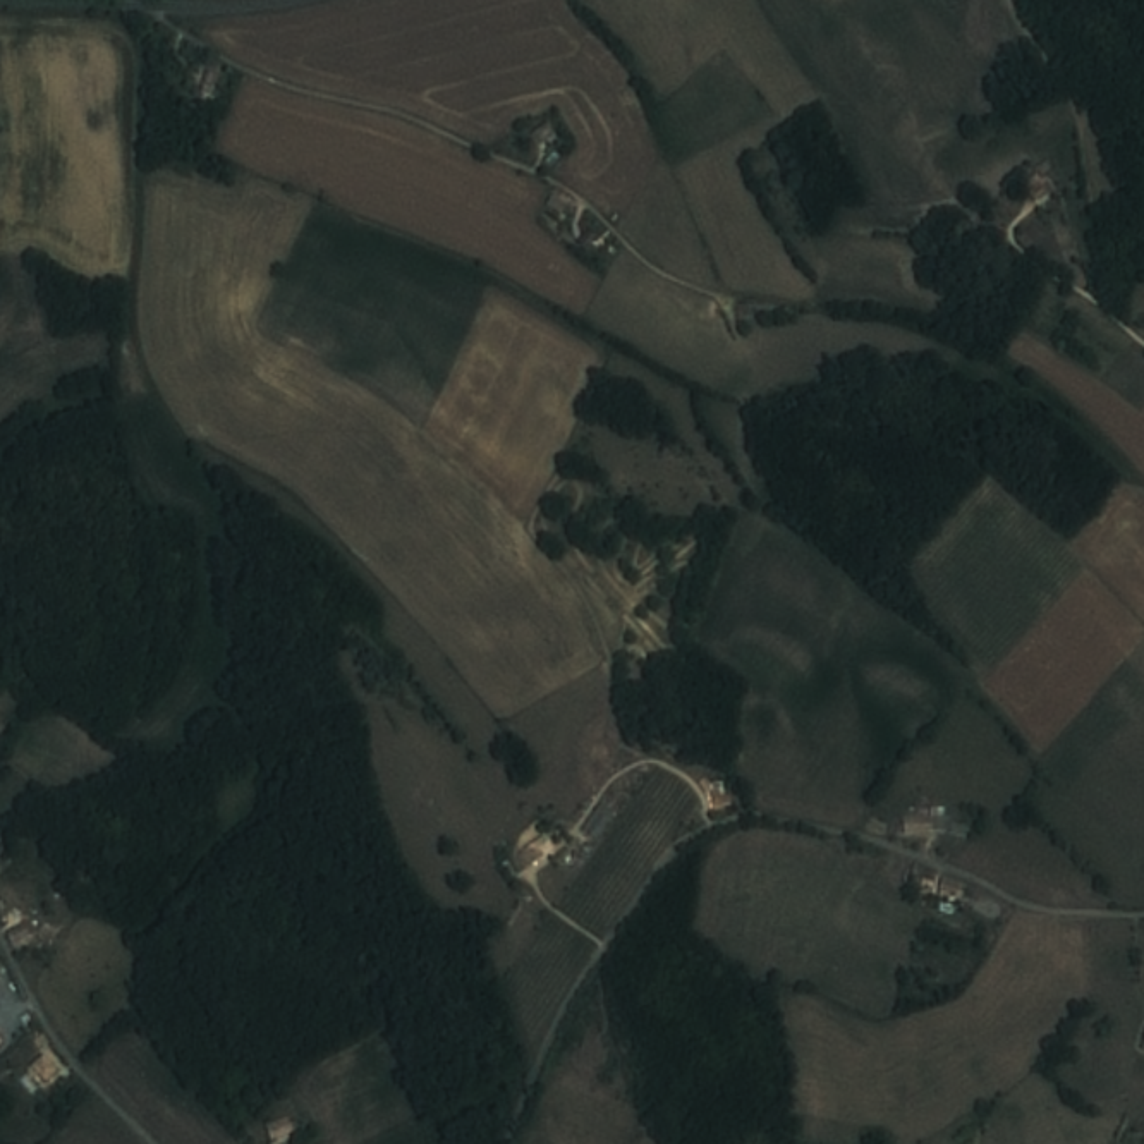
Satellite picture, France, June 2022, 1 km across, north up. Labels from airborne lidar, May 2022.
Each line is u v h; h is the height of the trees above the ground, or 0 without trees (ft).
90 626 58
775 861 0
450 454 0
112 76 0
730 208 0
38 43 0
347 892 98
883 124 0
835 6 0
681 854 41
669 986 29
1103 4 59
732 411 0
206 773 58
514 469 0
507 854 20
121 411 39
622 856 0
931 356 62
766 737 0
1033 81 60
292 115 0
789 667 0
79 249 0
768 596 0
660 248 0
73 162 0
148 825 42
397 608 0
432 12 0
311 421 0
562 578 0
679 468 0
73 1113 29
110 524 68
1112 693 0
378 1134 0
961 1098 0
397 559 0
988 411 75
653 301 0
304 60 0
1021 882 0
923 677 0
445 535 0
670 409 0
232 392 0
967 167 0
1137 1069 0
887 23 0
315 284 0
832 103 0
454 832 0
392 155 0
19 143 0
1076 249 0
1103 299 47
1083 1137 0
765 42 0
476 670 0
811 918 0
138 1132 0
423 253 0
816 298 0
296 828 94
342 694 43
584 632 0
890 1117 0
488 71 0
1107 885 48
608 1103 0
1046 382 0
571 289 0
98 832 49
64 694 56
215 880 75
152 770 73
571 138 22
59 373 0
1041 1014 0
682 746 65
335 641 22
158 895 48
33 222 0
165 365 0
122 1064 0
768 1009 66
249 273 0
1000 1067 0
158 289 0
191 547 60
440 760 0
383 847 66
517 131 32
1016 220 0
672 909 42
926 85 0
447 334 0
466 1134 68
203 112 46
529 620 0
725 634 0
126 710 50
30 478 65
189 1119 0
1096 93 50
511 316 0
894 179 0
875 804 48
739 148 0
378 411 0
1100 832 0
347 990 83
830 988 0
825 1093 0
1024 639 0
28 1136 0
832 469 51
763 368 0
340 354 0
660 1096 26
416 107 0
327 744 51
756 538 0
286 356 0
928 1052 0
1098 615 0
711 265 0
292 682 64
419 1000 87
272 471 0
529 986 0
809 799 0
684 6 0
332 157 0
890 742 0
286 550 61
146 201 0
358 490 0
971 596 0
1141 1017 0
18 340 0
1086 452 54
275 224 0
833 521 52
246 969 64
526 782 59
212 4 0
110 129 0
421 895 67
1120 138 38
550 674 0
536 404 0
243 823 30
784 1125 28
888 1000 0
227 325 0
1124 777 0
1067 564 0
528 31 0
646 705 78
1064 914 0
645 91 48
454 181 0
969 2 0
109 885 23
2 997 0
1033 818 53
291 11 0
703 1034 28
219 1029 61
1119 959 0
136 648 68
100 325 70
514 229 0
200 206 0
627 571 31
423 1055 78
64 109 0
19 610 32
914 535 32
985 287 64
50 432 69
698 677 69
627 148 0
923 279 47
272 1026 74
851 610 0
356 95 0
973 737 0
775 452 59
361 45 0
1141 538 0
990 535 0
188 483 0
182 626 58
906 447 63
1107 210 51
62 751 0
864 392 61
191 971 76
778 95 0
